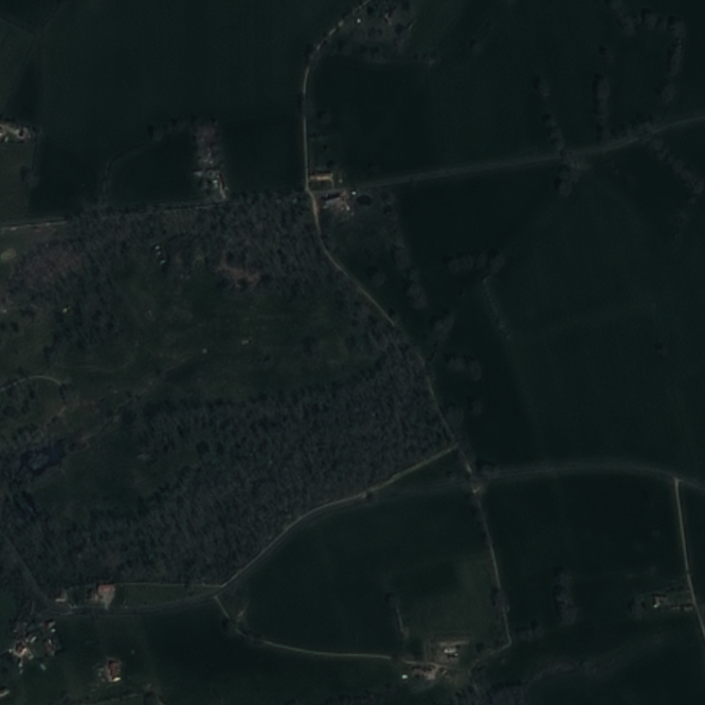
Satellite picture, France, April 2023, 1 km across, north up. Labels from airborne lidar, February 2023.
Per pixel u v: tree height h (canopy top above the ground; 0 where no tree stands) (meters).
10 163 0
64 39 0
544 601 0
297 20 0
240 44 0
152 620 0
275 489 19
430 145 0
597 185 0
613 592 0
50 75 0
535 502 0
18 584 10
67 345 25
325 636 0
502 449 0
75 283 22
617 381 0
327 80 0
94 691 0
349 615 0
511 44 0
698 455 0
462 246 0
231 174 0
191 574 20
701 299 0
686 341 0
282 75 0
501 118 0
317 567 0
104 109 0
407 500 0
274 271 24
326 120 12
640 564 0
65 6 7
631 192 0
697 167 0
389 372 19
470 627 0
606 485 0
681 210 0
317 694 0
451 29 0
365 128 0
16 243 0
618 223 0
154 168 0
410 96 0
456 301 0
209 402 0
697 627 0
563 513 0
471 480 15
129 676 0
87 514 0
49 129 0
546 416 0
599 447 0
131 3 0
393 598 11
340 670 0
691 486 0
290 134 0
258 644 16
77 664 0
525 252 0
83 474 0
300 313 0
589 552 0
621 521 0
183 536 25
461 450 17
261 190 0
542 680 0
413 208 0
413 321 0
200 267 0
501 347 0
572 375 0
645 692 0
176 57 0
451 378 0
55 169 0
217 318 0
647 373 0
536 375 0
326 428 23
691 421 0
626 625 0
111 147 0
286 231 14
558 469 0
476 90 0
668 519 0
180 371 0
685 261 0
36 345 0
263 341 0
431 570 0
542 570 0
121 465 0
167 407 0
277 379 0
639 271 0
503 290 0
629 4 0
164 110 0
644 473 0
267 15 0
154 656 0
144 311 0
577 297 0
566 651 0
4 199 0
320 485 22
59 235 0
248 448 26
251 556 10
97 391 0
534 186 0
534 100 0
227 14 0
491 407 0
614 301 0
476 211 0
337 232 0
